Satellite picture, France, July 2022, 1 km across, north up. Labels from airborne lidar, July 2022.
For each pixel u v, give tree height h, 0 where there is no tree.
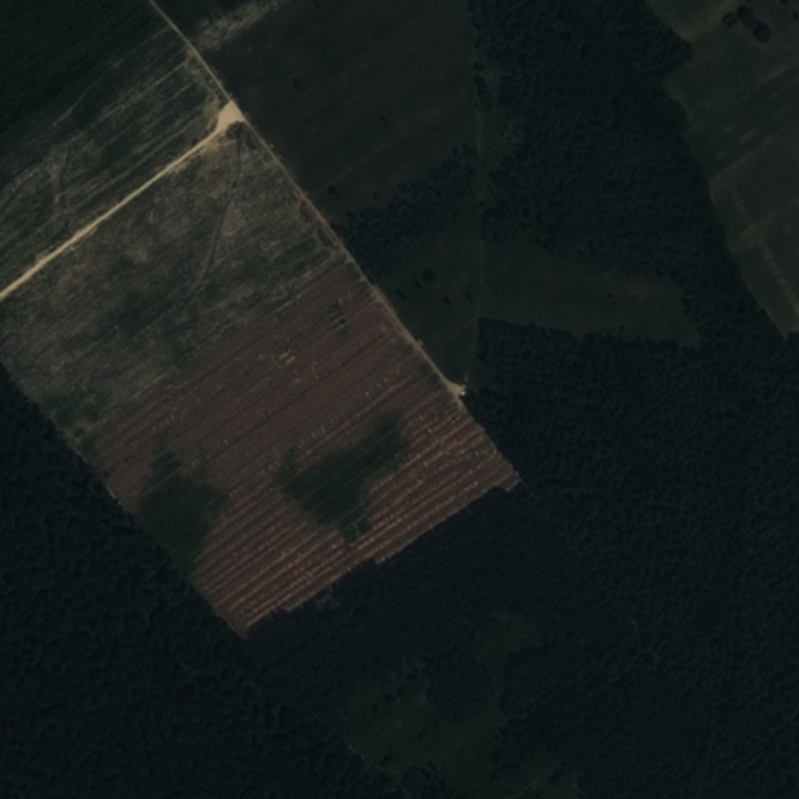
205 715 24
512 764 23
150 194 0
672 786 22
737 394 21
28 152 0
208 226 0
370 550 0
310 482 0
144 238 0
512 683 21
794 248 0
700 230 20
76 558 18
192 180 0
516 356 24
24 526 28
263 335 0
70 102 0
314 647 0
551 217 21
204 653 20
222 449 0
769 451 28
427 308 0
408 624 23
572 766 21
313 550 0
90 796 27
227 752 26
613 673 27
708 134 0
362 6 0
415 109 0
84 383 0
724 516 23
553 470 27
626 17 22
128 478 0
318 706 23
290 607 0
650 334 0
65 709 23
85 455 0
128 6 0
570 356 27
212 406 0
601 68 22
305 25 0
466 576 22
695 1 0
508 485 0
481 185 0
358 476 0
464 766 0
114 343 0
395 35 0
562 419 17
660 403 30
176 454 0
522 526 21
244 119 0
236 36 0
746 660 25
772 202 0
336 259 0
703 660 28
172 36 0
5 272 0
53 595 24
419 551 0
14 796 22
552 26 22
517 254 0
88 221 0
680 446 26
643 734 20
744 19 15
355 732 0
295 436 0
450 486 0
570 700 25
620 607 20
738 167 0
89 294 0
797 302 0
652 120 18
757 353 25
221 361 0
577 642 23
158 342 0
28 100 6
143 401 0
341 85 0
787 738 27
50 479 26
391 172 0
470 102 0
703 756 29
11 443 22
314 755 26
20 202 0
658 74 22
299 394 0
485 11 27
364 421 0
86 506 25
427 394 0
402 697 8
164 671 25
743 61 0
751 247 0
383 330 0
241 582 0
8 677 22
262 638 0
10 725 24
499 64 26
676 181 21
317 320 0
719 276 25
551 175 30
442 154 0
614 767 21
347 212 0
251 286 0
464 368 0
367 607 0
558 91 18
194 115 0
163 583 23
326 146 0
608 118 22
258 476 0
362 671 25
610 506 18
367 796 24
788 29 0
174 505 0
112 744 25
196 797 27
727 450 20
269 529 0
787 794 18
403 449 0
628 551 20
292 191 0
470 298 15
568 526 24
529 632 0
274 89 0
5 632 23
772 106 0
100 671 16
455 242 0
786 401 24
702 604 19
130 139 0
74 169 0
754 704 29
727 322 20
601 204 19
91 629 21
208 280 0
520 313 0
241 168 0
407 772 0
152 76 0
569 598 22
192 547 0
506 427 21
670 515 28
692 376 25
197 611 24
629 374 20
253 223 0
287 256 0
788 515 28
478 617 20
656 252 21
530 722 22
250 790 27
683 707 21
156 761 29
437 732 0
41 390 0
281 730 16
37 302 0
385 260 23
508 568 23
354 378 0
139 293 0
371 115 0
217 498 0
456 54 0
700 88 0
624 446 19
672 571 32
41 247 0
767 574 29
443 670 25
